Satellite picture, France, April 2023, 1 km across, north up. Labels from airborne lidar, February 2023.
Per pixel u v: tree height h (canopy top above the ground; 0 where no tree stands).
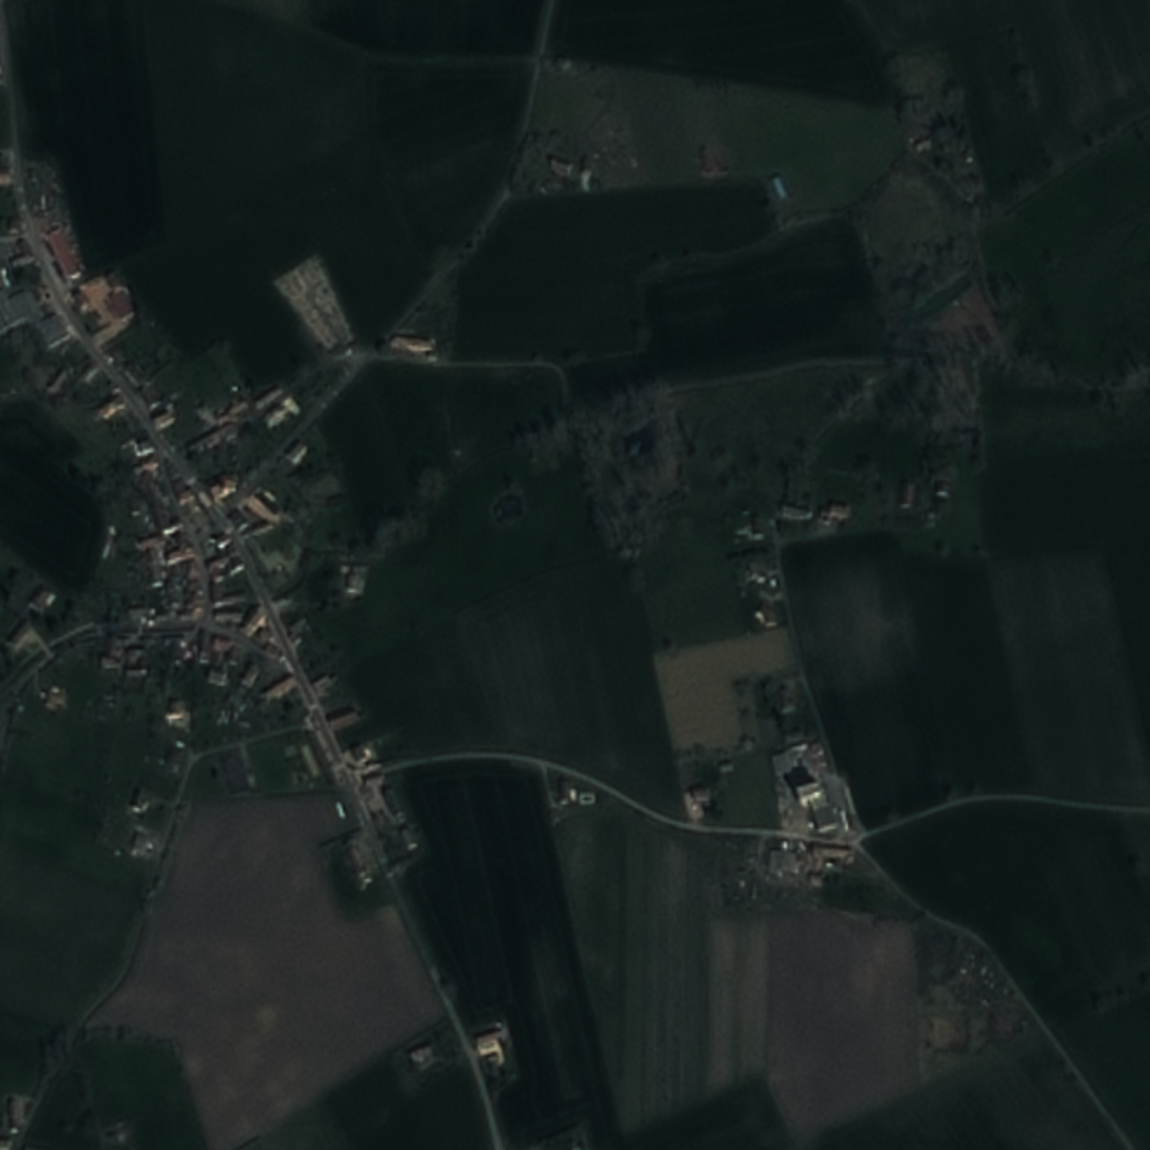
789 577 0
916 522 7
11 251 0
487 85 0
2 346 7
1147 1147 0
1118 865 0
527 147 8
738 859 0
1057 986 0
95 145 0
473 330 0
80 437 0
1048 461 0
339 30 0
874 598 0
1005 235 0
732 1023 0
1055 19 0
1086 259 0
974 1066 0
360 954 0
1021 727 0
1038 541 0
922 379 27
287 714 10
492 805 0
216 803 0
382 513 0
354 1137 0
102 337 0
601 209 0
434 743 0
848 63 0
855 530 0
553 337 0
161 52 0
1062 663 0
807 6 0
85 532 0
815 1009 0
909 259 0
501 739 0
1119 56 0
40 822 0
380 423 0
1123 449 0
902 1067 0
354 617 0
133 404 0
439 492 26
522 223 0
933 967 0
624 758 0
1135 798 0
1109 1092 0
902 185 0
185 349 0
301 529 8
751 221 0
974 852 0
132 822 0
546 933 0
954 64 0
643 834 0
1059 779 0
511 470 0
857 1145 0
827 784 0
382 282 0
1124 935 0
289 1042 0
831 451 0
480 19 0
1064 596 0
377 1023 0
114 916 0
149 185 0
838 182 0
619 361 0
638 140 0
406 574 0
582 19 0
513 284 0
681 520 0
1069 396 0
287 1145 0
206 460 7
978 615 0
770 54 0
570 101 0
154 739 8
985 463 12
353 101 0
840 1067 0
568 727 0
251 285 0
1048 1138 0
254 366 0
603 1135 0
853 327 0
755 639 0
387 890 0
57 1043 13
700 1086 0
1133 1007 0
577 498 0
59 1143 0
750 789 0
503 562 0
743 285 0
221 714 0
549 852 0
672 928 0
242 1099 0
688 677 0
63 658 12
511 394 0
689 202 0
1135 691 0
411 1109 0
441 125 0
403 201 0
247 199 0
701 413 0
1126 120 0
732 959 0
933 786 0
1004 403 0
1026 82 15
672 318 0
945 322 0
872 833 0
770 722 0
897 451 0
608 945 0
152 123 0
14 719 8
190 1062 0
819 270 0
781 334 0
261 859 0
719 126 0
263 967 0
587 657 0
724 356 0
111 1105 0
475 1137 0
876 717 0
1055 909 0
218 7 0
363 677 0
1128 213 0
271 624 0
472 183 0
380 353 11
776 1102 0
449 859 0
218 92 0
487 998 0
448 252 0
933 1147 0
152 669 10
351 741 0
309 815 0
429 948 0
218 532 9
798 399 0
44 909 0
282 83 0
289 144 0
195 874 0
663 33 0
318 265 0
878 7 0
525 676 0
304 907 0
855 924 0
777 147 0
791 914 0
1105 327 0
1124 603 0
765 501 0
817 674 0
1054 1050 0
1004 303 22
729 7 0
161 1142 0
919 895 0
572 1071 0
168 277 0
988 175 0
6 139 0
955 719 0
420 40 0
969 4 0
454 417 0
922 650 0
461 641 0
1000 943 0
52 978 0
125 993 0
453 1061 9
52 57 0
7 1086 0
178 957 0
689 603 0
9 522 0
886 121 0
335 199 0
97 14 0
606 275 0
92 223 0
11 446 0
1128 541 0
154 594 0
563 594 0
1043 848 0
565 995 0
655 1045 0
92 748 0
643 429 33
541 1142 6
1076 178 0
